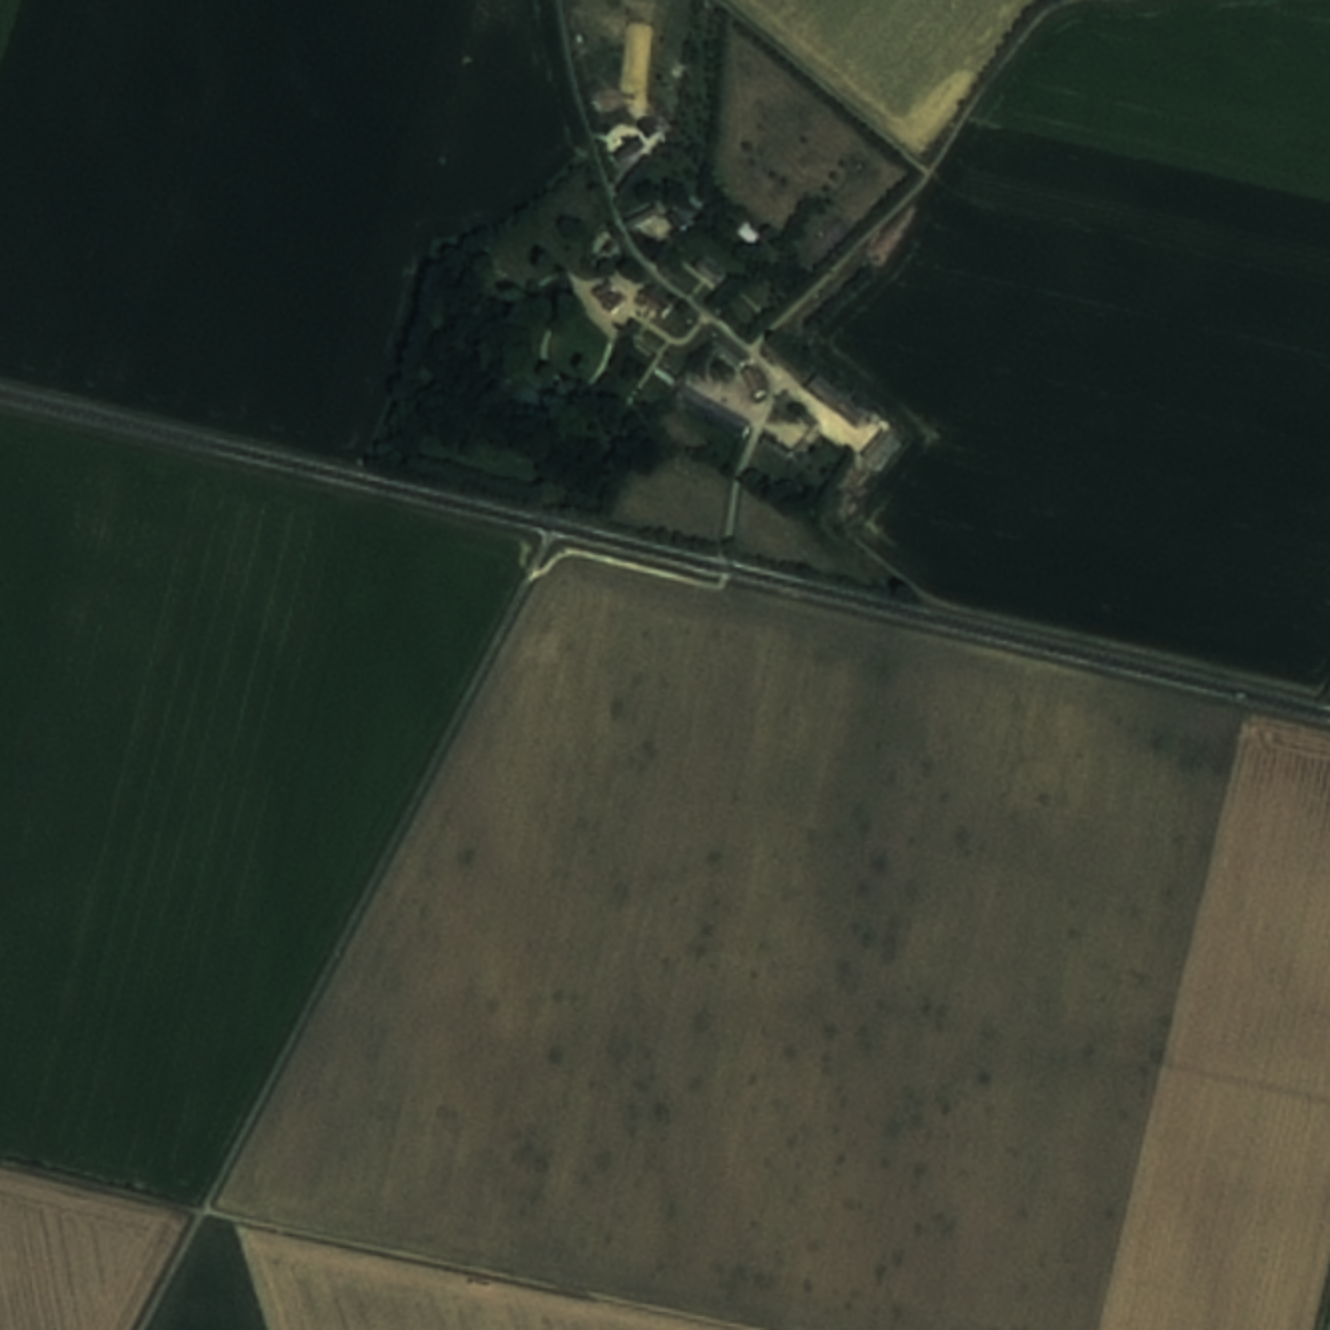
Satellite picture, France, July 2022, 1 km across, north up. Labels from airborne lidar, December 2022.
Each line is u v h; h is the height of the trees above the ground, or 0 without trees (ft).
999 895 0
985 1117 0
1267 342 0
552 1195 0
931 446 0
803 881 0
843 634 0
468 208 0
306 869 0
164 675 0
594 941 0
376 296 0
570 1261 0
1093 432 0
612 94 0
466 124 0
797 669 0
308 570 0
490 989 0
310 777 0
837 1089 0
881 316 0
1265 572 0
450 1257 0
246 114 0
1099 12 0
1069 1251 0
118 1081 0
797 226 31
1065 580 0
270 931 0
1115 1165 0
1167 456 0
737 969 0
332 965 0
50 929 0
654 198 58
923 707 0
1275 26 0
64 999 0
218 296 0
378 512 0
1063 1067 0
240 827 0
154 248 0
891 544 0
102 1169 0
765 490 56
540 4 0
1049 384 0
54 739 0
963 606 0
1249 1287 0
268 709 0
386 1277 0
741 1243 0
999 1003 0
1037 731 0
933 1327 0
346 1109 0
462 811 0
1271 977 0
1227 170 0
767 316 35
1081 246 0
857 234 19
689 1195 0
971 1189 0
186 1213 0
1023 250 0
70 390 0
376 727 0
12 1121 0
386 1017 0
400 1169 0
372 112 0
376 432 0
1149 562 0
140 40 0
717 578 0
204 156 0
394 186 0
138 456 0
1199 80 0
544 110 0
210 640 0
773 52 24
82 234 0
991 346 0
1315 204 0
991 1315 0
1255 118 0
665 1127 0
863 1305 0
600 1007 0
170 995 0
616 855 0
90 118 0
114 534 0
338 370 0
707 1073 0
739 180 0
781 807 0
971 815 0
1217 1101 0
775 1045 0
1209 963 0
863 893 0
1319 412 0
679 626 0
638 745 0
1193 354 0
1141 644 0
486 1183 0
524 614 0
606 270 50
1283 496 0
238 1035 0
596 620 0
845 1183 0
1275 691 0
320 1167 0
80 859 0
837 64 0
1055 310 0
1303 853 0
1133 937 0
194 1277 0
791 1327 0
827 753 0
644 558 0
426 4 0
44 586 0
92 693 0
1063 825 0
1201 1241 0
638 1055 0
